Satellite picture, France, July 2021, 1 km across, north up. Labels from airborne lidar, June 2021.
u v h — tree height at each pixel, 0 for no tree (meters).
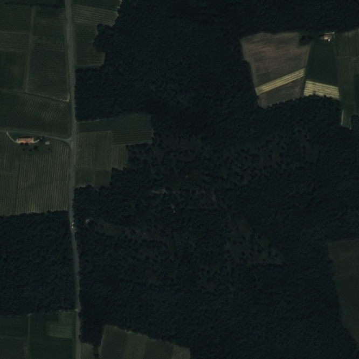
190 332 19
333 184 16
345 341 21
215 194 20
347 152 24
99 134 0
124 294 24
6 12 0
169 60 26
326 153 23
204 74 27
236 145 23
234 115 23
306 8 28
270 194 24
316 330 22
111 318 24
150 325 19
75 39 0
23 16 0
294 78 0
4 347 0
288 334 17
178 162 15
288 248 24
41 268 19
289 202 13
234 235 19
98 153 0
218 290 17
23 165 0
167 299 26
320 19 23
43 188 0
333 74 0
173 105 25
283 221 17
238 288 15
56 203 0
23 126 0
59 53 0
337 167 18
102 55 0
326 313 27
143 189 21
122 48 20
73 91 0
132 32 19
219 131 26
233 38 20
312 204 32
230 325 21
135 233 23
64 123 0
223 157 21
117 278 22
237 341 19
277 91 0
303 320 29
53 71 0
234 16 25
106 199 22
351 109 0
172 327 21
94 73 19
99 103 21
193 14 16
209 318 24
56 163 0
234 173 23
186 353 0
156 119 19
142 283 15
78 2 0
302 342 25
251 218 23
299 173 14
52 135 0
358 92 0
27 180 0
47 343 0
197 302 24
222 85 28
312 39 15
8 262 22
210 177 24
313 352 21
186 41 24
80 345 0
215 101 20
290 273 26
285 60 0
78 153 0
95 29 0
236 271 18
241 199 20
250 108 24
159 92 26
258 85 0
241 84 19
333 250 0
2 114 0
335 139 18
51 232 19
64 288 26
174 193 28
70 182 0
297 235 23
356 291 0
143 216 22
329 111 19
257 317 21
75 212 10
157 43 19
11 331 0
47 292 25
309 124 19
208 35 29
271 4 23
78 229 19
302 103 21
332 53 0
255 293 17
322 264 22
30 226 23
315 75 0
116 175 18
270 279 21
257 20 16
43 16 0
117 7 0
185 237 27
